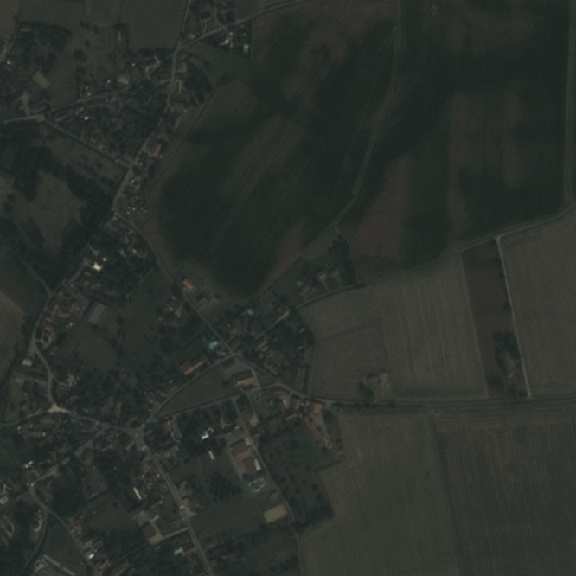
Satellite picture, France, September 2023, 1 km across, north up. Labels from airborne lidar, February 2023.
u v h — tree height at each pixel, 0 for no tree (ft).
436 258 0
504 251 0
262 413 0
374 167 0
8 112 0
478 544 0
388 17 0
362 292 0
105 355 0
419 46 0
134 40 0
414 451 0
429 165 0
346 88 0
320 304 0
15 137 31
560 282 0
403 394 0
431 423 0
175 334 40
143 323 0
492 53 0
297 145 0
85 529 0
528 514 0
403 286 0
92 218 69
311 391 0
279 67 0
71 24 0
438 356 0
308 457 0
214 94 0
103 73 0
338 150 0
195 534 0
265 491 0
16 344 0
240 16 0
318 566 0
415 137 0
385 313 0
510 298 0
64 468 25
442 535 0
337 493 0
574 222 0
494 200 0
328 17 0
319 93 0
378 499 0
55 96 0
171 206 0
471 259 0
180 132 0
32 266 58
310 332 39
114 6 0
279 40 0
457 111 0
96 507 0
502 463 0
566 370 0
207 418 44
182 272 0
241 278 0
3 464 0
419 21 0
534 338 0
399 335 0
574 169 0
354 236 0
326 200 0
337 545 0
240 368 0
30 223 0
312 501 0
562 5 0
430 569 0
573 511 0
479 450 0
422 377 0
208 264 0
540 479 0
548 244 0
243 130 0
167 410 0
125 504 21
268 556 0
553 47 0
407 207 0
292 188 0
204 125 0
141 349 0
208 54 0
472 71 0
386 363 0
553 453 0
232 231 0
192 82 34
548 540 0
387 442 0
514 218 0
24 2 0
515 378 107
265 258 0
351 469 0
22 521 62
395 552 0
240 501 0
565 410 0
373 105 0
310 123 0
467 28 0
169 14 0
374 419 0
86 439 0
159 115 33
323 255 0
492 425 0
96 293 28
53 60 31
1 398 21
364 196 0
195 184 0
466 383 0
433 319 0
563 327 0
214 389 0
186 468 0
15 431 0
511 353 37
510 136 0
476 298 0
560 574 0
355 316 0
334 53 0
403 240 0
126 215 0
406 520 0
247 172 0
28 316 0
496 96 0
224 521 0
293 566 29
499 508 0
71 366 0
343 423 0
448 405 0
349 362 0
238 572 0
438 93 0
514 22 0
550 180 0
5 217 0
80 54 32
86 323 0
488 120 0
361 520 0
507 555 0
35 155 49
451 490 0
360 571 0
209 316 0
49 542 0
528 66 0
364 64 0
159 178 0
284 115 0
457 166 0
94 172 22
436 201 0
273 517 0
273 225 0
